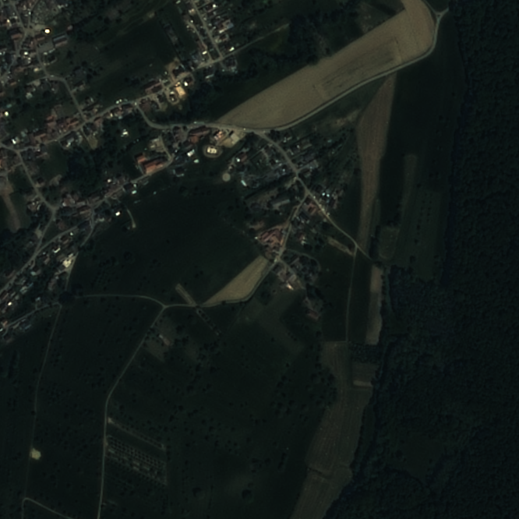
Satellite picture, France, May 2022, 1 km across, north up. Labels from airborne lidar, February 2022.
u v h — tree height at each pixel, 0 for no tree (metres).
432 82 0
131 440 0
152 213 0
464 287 30
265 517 0
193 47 0
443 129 0
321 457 0
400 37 0
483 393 34
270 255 0
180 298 0
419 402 29
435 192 0
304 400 0
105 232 0
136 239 0
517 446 31
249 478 0
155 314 0
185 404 0
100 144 0
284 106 0
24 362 0
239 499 0
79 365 0
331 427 0
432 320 18
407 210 0
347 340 0
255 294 0
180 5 0
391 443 7
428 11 0
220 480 0
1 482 0
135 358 0
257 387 0
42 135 0
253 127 0
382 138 0
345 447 0
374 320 0
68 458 0
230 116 0
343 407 0
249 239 0
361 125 0
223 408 0
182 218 0
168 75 0
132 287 0
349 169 6
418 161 0
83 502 0
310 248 9
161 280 0
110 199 0
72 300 20
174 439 0
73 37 14
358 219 0
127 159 0
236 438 0
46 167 0
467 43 21
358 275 0
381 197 0
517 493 29
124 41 0
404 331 0
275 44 0
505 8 28
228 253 0
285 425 0
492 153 29
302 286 0
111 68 0
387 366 13
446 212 0
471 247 29
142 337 0
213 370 9
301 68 0
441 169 0
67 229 0
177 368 0
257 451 0
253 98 0
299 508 0
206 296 0
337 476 0
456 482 29
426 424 29
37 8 0
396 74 0
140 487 0
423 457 0
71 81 0
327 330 0
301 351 0
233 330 0
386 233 0
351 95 0
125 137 0
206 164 0
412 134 0
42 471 0
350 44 0
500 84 25
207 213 0
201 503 0
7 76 0
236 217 0
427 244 0
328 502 0
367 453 0
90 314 0
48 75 0
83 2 15
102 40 0
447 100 0
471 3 23
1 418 0
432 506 32
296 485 0
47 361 0
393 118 0
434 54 0
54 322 0
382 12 0
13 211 0
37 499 5
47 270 7
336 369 0
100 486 0
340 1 0
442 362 24
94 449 0
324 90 0
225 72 0
